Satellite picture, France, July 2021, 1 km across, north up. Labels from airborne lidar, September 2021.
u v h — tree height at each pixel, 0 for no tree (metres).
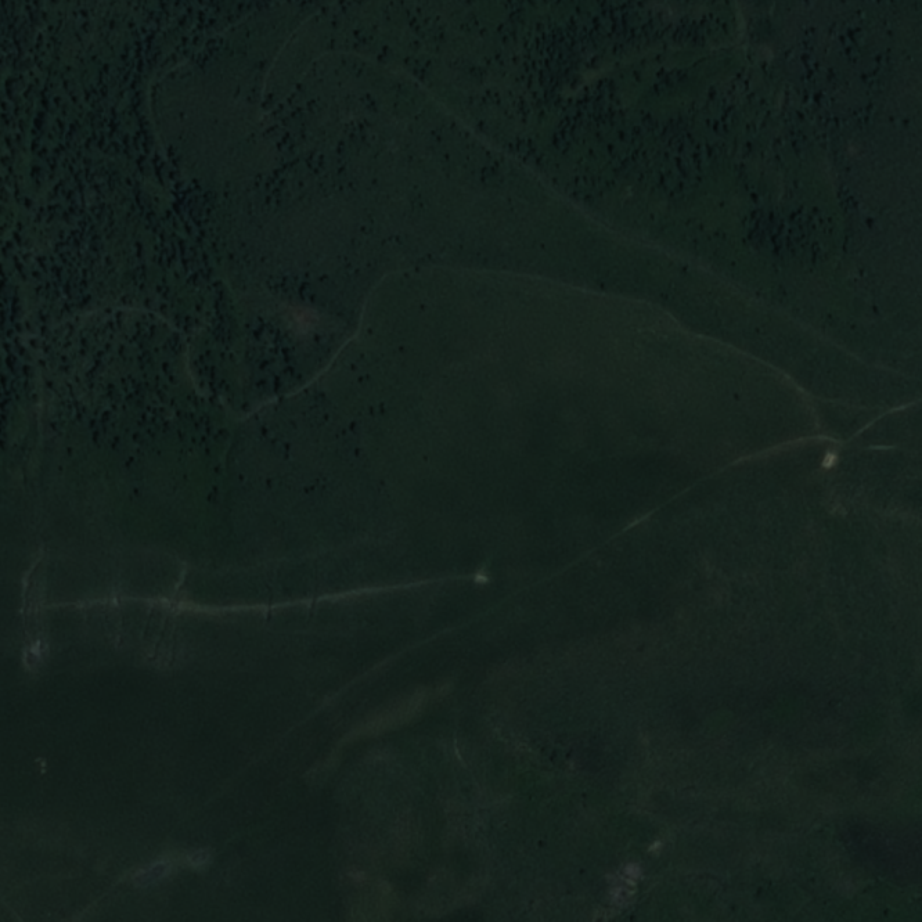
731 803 0
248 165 0
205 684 0
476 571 0
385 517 0
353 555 0
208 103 0
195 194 19
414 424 0
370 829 0
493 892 0
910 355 0
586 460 0
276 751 0
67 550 0
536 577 0
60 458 0
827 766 0
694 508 0
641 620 0
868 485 0
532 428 0
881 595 0
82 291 6
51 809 0
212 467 0
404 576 0
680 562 0
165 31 11
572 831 0
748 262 0
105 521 0
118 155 6
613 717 0
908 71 0
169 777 0
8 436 12
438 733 0
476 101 7
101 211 8
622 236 0
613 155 12
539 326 0
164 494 0
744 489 0
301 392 0
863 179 0
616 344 0
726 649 0
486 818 0
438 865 0
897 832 0
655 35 11
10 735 0
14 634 0
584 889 0
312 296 7
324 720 0
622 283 0
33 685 0
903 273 0
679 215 0
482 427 0
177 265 17
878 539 0
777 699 0
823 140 6
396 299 0
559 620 0
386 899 0
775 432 0
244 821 0
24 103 21
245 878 0
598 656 0
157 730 0
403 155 0
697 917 0
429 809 0
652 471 0
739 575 0
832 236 8
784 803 0
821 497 0
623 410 0
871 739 0
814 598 0
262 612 0
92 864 0
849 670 0
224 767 0
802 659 0
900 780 0
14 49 21
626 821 0
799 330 0
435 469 0
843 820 0
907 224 0
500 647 0
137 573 0
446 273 0
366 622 0
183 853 0
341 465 0
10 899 0
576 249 0
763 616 0
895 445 0
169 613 0
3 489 0
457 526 0
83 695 0
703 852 0
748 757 0
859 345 0
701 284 0
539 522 0
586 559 0
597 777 0
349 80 0
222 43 7
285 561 0
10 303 11
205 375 13
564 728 0
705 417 0
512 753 0
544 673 0
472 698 0
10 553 0
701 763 0
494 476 0
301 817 0
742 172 11
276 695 0
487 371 0
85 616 0
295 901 0
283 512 0
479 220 0
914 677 0
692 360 0
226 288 24
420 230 0
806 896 0
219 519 0
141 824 0
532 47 9
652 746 0
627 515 0
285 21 0
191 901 0
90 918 0
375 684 0
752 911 0
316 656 0
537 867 0
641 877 0
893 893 0
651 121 11
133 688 0
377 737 0
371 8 0
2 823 0
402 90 6
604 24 13
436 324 0
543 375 0
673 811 0
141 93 17
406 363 0
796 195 7
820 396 0
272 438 14
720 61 0
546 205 0
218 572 0
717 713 0
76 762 0
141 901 0
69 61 0
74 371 13
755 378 0
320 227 0
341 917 0
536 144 14
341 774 0
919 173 0
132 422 0
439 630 0
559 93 15
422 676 0
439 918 0
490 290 0
